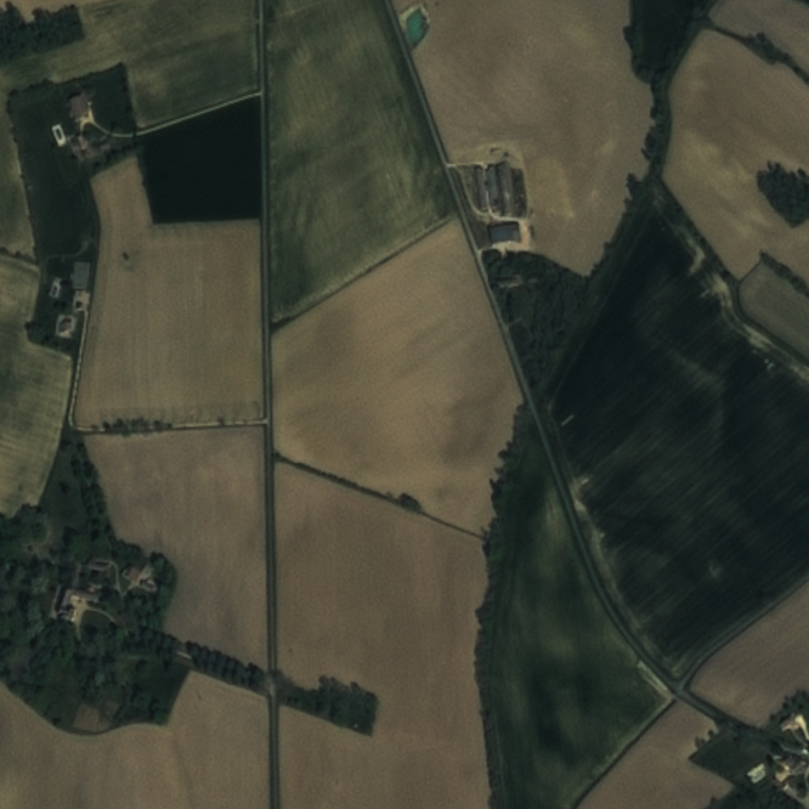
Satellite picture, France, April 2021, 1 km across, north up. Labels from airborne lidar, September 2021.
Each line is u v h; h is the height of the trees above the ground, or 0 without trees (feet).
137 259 0
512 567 0
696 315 0
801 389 0
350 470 0
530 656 0
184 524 0
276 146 0
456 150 0
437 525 0
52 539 0
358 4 0
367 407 0
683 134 0
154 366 0
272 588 0
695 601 0
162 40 0
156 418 0
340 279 0
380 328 0
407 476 0
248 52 0
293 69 0
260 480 0
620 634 0
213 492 0
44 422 0
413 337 0
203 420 0
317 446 0
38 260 29
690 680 0
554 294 44
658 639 0
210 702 0
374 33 0
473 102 0
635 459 0
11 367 0
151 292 0
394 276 0
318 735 0
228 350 0
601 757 0
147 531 0
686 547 0
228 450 0
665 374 0
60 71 0
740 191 0
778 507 0
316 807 0
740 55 0
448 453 0
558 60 0
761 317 0
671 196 20
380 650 0
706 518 0
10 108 38
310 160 0
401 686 0
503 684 0
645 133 0
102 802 0
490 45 0
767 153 0
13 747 0
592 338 0
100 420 0
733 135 0
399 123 0
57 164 0
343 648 0
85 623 0
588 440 0
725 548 0
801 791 43
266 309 0
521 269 29
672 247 0
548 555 0
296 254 0
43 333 41
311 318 0
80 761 0
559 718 0
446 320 0
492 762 42
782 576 0
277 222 0
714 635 0
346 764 0
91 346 0
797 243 0
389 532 0
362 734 0
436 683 0
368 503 0
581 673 0
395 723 0
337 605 0
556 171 0
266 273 0
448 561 0
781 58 31
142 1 0
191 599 0
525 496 0
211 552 0
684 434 0
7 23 72
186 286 0
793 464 0
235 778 0
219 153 0
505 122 0
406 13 0
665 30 0
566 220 0
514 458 54
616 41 0
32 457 0
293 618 0
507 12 0
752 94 0
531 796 0
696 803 0
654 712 0
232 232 0
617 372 0
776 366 0
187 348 0
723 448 0
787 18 0
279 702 41
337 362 0
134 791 0
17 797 0
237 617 0
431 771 0
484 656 53
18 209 0
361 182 0
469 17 0
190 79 0
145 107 0
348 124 0
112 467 0
